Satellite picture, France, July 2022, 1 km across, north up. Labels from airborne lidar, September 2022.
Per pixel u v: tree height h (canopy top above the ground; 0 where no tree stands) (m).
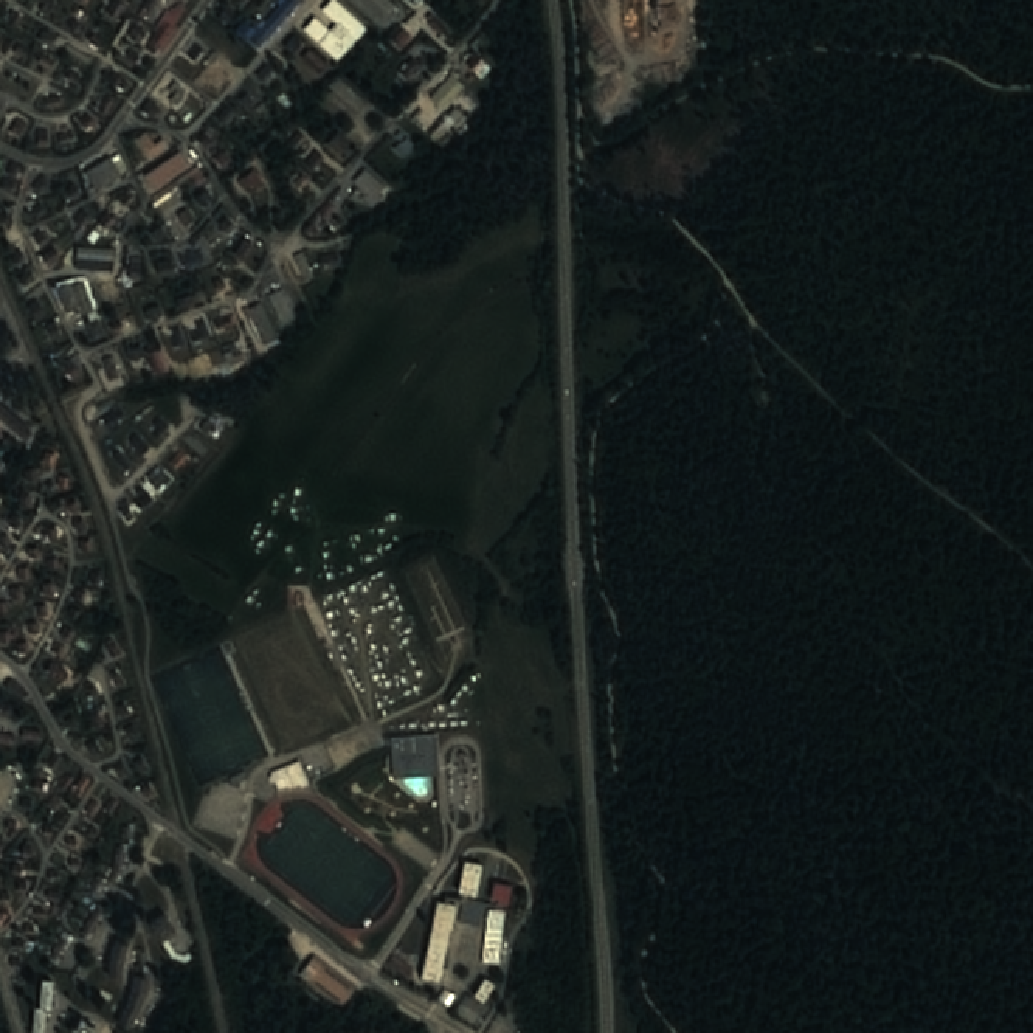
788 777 13
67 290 0
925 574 16
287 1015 16
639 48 0
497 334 0
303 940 0
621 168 0
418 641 0
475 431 0
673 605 12
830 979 23
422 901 0
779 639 8
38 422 18
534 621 13
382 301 0
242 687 0
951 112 12
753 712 13
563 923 13
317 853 0
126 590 0
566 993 12
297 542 0
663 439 11
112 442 0
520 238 0
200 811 0
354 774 0
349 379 0
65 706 10
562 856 14
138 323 0
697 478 14
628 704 12
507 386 0
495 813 0
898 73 12
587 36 9
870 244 9
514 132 18
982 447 9
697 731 12
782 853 20
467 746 0
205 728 0
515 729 0
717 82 19
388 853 0
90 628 7
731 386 7
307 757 0
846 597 15
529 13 9
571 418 0
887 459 13
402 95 20
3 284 0
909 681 12
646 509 12
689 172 15
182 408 0
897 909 10
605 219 6
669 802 18
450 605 0
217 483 0
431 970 0
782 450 14
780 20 8
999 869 18
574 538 0
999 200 15
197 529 0
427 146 8
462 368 0
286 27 0
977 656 10
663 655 11
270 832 0
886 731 6
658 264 10
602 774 8
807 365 7
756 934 19
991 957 21
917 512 14
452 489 0
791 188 12
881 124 9
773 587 12
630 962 15
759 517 15
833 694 17
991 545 15
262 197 0
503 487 0
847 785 14
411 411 0
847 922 16
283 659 0
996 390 6
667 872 13
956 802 18
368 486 0
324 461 0
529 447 0
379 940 0
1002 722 9
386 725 0
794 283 7
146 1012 0
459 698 0
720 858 10
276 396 0
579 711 0
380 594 0
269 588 0
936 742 10
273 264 0
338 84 0
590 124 9
